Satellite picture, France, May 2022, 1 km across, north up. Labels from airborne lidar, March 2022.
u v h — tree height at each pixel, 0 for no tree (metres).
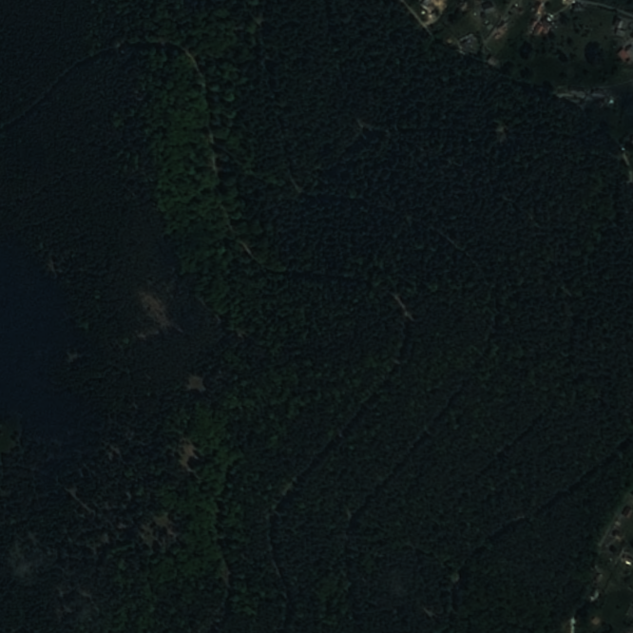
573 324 23
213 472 23
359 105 31
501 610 21
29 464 12
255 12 26
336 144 28
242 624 20
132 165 23
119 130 15
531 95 27
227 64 27
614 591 0
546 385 26
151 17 29
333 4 15
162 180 20
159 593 24
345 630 25
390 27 16
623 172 21
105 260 16
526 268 20
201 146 26
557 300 25
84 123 18
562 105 22
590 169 25
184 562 25
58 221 21
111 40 23
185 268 22
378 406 24
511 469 23
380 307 23
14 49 22
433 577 30
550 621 23
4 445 0
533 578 27
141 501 16
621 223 29
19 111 19
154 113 24
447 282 21
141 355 18
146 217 24
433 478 22
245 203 30
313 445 19
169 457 32
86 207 19
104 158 20
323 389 22
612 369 26
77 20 19
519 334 28
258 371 25
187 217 20
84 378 14
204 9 28
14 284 18
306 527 19
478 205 22
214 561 24
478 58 11
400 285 26
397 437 20
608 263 31
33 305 18
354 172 27
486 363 24
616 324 25
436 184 24
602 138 26
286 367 24
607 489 22
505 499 26
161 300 19
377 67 28
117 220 19
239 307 24
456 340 23
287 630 26
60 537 16
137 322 21
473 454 21
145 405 19
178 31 18
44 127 20
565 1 0
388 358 21
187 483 21
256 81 29
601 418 24
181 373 24
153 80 26
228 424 27
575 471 21
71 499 20
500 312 27
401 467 25
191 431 22
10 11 15
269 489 19
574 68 0
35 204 19
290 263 28
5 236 21
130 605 22
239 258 20
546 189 24
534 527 23
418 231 21
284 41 29
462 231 25
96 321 18
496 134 17
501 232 25
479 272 25
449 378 22
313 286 19
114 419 12
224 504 23
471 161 28
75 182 21
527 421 25
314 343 21
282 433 21
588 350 18
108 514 12
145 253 23
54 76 17
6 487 11
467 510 20
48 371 14
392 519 28
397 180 28
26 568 24
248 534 28
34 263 16
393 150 24
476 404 28
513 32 0
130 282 21
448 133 18
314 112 30
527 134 26
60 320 18
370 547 28
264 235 29
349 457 22
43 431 11
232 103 26
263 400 22
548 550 23
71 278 17
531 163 26
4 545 11
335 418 25
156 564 25
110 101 16
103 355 16
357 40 25
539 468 26
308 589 29
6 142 21
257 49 29
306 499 26
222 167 30
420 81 29
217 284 24
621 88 0
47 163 21
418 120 29
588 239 23
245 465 24
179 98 27
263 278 25
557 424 22
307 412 25
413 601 28
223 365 21
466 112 13
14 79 15
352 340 23
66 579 16
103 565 21
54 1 16
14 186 21
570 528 23
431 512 23
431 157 16
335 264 22
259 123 30
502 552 28
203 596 26
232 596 26
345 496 27
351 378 22
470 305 23
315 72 29
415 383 23
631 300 35
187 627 22
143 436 25
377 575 29
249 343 28
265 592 27
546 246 28
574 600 16
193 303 21
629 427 22
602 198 20
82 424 16
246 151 32
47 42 17
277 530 29
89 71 18
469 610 24
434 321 21
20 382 18
